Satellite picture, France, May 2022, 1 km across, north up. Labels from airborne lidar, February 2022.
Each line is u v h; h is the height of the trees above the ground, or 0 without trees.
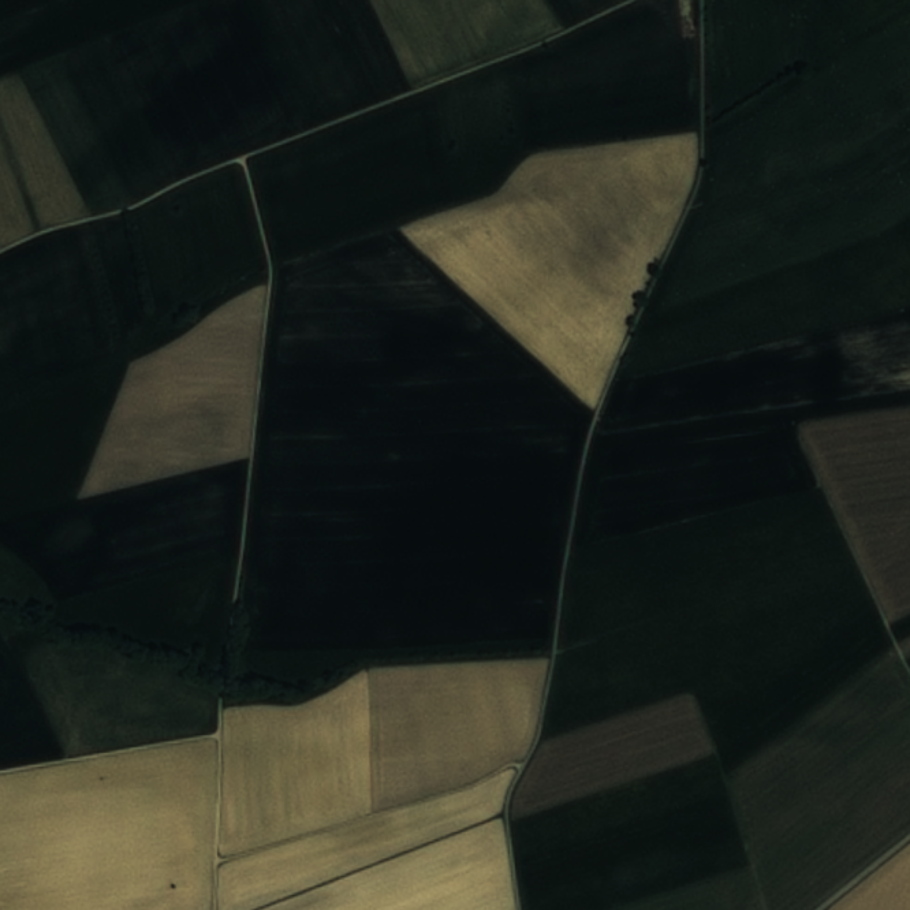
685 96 0
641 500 0
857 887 0
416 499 0
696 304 0
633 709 0
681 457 0
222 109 0
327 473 0
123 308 0
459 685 0
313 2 0
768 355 0
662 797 0
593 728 0
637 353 0
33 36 0
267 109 0
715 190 0
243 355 0
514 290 0
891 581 0
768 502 0
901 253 0
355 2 0
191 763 0
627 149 0
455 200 0
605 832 0
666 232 0
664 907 0
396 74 0
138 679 0
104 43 0
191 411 0
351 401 0
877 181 0
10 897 0
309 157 0
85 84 0
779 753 0
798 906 0
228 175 0
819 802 0
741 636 0
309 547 0
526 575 0
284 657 0
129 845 0
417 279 0
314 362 0
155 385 0
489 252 0
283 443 0
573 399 0
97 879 0
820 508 0
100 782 0
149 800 0
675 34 0
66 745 0
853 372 0
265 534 0
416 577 0
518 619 0
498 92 0
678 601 0
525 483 0
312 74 0
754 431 0
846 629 0
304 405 0
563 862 0
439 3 0
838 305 0
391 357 0
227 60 0
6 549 0
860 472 0
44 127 0
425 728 0
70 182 0
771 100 0
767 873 0
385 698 0
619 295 0
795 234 0
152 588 0
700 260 0
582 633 0
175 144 0
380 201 0
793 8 0
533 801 0
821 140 0
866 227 0
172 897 0
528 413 0
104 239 0
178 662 21
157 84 0
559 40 0
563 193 0
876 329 0
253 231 0
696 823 0
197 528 0
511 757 0
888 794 0
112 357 0
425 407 0
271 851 0
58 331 0
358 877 0
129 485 0
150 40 0
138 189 0
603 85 0
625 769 0
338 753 0
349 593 0
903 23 0
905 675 0
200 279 0
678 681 0
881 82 0
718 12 0
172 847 0
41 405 0
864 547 0
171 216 0
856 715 0
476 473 0
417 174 0
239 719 0
